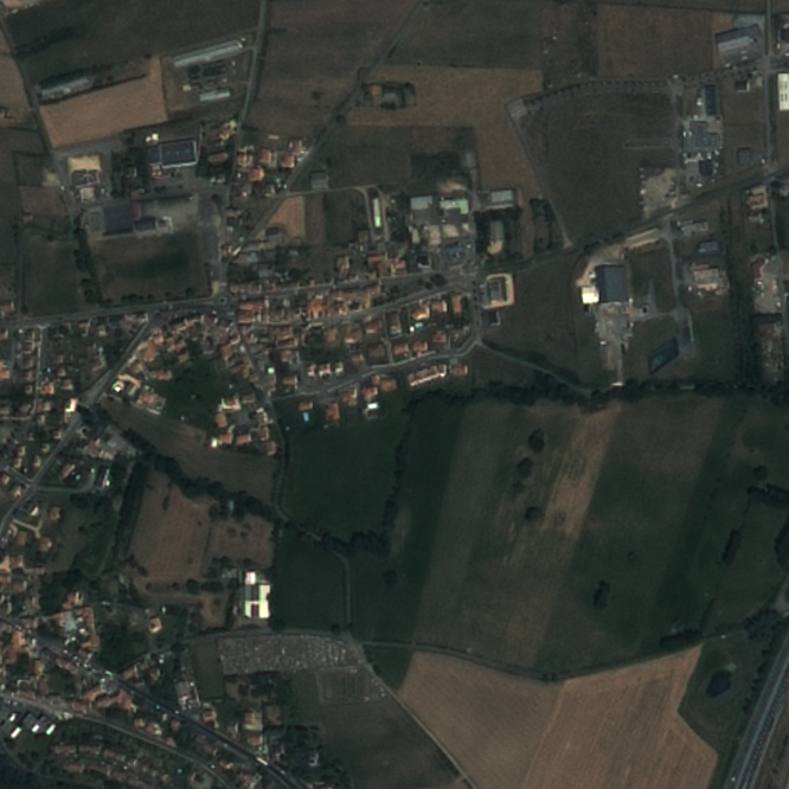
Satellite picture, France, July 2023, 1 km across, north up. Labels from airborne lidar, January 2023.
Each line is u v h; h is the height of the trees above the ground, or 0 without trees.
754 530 0
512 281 0
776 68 0
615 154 0
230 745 0
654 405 0
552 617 0
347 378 0
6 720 0
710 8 0
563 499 0
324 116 0
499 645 0
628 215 0
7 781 15
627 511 0
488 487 0
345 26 0
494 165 0
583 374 0
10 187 0
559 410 0
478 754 0
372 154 0
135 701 9
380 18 0
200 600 0
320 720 0
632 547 0
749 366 8
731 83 0
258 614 0
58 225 0
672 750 0
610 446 0
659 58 0
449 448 0
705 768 0
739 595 0
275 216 0
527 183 0
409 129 0
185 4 0
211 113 0
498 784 0
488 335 0
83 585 0
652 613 0
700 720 0
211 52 0
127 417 0
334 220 0
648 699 0
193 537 0
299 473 0
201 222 0
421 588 0
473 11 0
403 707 0
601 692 0
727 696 0
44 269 0
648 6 0
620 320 0
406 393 0
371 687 0
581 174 0
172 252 0
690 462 0
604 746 0
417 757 0
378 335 0
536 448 16
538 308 0
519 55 0
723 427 0
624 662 0
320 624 0
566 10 0
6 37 0
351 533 0
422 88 0
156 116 0
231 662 0
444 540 0
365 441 0
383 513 0
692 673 0
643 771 0
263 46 0
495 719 0
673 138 0
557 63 0
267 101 0
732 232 0
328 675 0
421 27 0
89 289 14
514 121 0
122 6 0
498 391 18
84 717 0
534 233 0
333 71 0
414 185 0
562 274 0
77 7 0
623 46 0
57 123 0
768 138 0
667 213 0
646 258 0
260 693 8
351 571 0
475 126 0
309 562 0
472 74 0
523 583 0
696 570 0
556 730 0
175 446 0
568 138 0
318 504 0
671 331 0
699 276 0
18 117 0
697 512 0
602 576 0
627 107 0
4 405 0
